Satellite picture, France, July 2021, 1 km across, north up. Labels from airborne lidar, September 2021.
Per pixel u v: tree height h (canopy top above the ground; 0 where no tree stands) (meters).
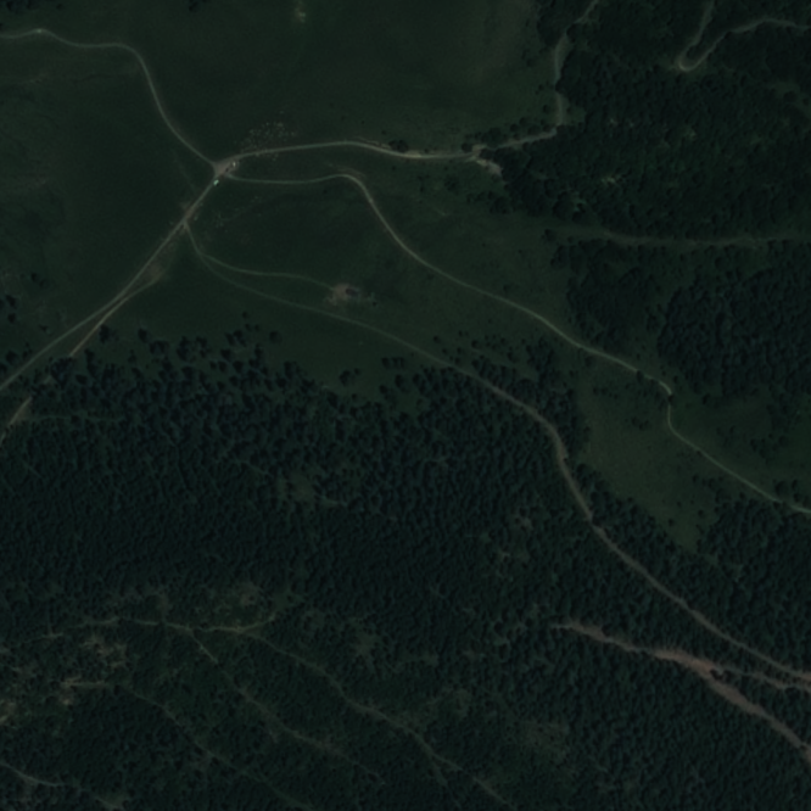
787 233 0
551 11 18
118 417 9
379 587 24
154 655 10
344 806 15
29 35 0
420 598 21
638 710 20
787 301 18
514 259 0
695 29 18
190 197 0
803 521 8
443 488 27
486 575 8
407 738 12
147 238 0
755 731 13
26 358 11
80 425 22
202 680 7
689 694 14
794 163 13
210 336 0
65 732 11
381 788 8
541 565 20
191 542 17
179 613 8
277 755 7
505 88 0
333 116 0
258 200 0
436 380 23
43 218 0
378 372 0
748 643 10
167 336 0
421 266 0
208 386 31
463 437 25
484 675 12
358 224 0
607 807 14
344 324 0
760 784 20
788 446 13
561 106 0
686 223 14
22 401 9
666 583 13
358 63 0
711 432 0
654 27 11
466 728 12
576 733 15
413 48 0
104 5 0
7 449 8
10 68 0
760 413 0
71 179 0
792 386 16
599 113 15
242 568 16
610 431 0
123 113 0
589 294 12
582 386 0
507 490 20
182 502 19
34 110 0
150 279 0
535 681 20
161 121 0
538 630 11
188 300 0
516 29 0
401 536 23
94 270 0
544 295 0
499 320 0
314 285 0
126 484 11
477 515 13
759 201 18
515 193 10
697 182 24
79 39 0
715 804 19
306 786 15
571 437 23
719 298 6
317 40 0
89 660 17
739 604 30
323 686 9
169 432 18
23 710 6
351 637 9
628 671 18
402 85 0
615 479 0
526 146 13
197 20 0
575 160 10
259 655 13
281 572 15
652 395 9
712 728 16
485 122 0
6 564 18
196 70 0
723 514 11
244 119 0
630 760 27
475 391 27
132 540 15
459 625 20
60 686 21
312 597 8
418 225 0
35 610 16
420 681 6
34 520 15
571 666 21
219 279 0
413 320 0
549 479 24
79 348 0
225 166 0
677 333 24
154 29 0
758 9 13
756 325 14
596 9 8
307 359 0
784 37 11
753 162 20
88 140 0
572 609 12
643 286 13
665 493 0
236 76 0
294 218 0
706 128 15
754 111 12
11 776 21
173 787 13
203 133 0
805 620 9
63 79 0
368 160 0
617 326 20
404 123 0
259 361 12
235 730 11
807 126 9
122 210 0
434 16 0
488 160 15
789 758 20
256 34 0
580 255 19
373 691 8
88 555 17
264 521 13
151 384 9
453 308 0
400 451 22
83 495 15
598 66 29
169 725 16
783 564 15
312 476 8
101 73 0
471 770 12
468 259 0
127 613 8
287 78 0
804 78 13
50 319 0
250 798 13
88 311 0
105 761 9
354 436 9
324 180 0
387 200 0
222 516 16
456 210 0
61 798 10
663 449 0
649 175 22
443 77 0
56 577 17
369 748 12
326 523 17
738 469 0
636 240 0
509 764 12
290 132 0
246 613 5
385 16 0
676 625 16
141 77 0
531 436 15
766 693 33
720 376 18
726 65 12
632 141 19
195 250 0
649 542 23
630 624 36
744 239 0
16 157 0
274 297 0
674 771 25
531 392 26
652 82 20
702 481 10
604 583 19
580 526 17
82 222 0
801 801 20
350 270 0
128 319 0
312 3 0
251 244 0
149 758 9
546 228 0
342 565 15
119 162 0
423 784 11
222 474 15
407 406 0
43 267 0
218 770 10
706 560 16
